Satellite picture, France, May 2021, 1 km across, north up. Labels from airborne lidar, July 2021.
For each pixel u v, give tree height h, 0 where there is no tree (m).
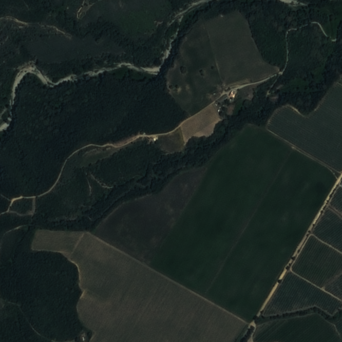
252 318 0
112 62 6
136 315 0
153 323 0
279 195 0
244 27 0
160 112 8
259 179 0
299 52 7
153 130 6
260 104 14
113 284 0
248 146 0
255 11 13
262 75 0
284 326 0
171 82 0
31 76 16
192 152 15
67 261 7
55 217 8
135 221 0
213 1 15
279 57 5
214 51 0
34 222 10
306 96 11
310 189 0
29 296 10
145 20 0
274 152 0
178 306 0
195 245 0
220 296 0
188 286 0
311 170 0
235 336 0
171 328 0
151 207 0
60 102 12
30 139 9
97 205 11
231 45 0
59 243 0
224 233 0
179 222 0
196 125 0
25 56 7
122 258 0
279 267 0
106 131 10
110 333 0
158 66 31
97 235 0
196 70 0
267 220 0
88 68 24
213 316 0
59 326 6
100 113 13
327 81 13
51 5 11
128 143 0
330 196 6
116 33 12
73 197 6
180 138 0
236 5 18
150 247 0
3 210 5
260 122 15
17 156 9
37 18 6
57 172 5
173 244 0
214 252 0
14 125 20
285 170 0
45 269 7
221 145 10
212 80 0
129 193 7
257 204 0
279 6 13
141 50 11
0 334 10
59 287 6
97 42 9
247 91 0
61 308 7
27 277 9
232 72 0
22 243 6
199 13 18
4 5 8
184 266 0
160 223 0
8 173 6
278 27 18
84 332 0
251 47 0
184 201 0
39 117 9
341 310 13
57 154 8
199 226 0
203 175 0
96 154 0
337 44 11
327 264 0
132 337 0
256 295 0
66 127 14
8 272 8
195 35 0
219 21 0
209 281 0
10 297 7
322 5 25
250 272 0
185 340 0
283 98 13
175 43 14
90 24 8
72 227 8
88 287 0
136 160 6
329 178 0
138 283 0
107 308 0
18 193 8
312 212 0
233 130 15
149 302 0
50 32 9
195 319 0
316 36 12
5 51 8
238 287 0
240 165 0
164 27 15
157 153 13
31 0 10
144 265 0
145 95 14
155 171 8
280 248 0
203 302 0
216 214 0
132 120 11
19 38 6
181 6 10
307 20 11
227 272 0
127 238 0
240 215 0
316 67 13
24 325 7
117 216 0
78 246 0
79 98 15
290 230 0
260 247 0
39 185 8
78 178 6
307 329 0
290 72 12
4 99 19
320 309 8
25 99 5
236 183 0
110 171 6
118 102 11
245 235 0
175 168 8
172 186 0
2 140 10
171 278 0
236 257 0
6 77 9
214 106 0
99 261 0
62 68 12
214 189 0
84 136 5
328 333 0
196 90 0
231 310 0
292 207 0
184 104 0
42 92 19
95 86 15
